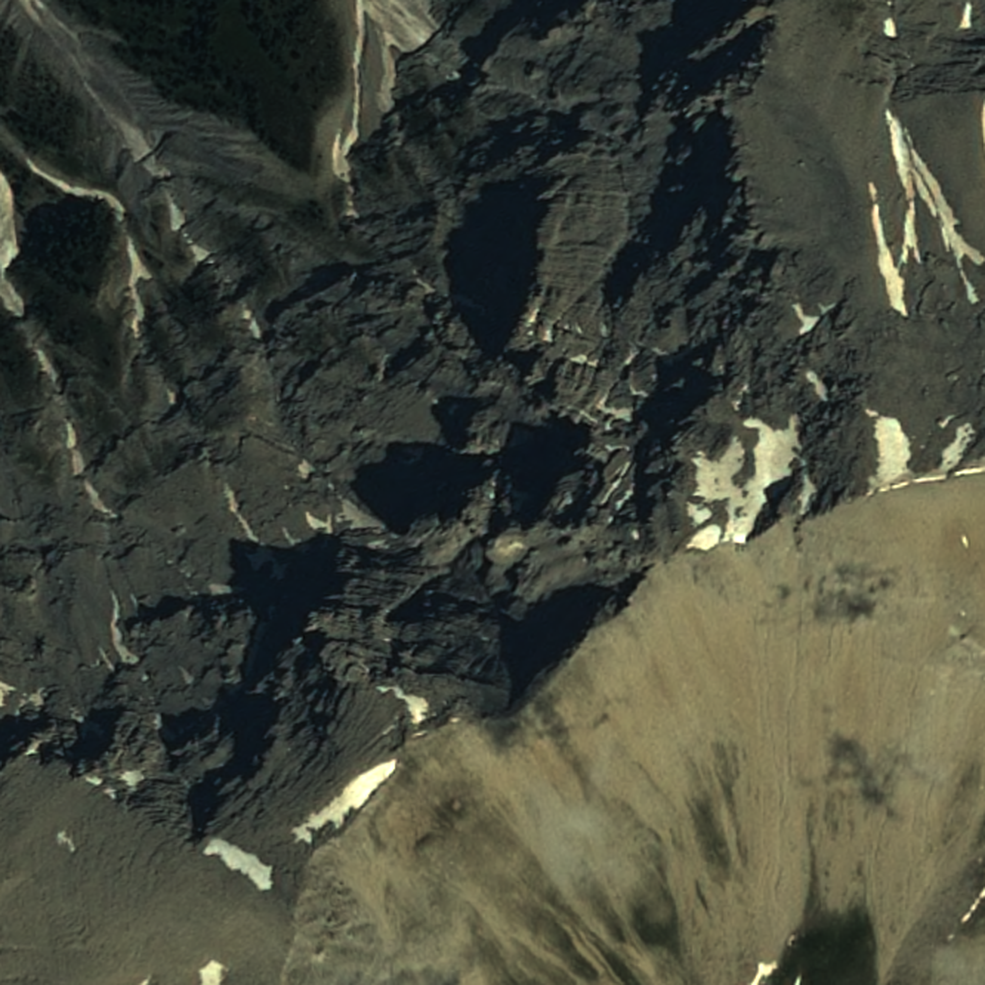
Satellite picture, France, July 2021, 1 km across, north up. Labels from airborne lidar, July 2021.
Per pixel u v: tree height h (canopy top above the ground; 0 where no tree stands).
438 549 0
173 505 0
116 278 0
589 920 0
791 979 0
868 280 0
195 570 0
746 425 0
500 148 0
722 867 0
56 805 0
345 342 0
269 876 0
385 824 0
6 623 0
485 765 0
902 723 0
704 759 0
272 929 0
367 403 0
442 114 0
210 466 0
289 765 0
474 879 0
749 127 0
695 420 0
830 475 0
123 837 0
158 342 0
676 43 0
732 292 0
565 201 0
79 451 0
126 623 0
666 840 0
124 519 0
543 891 0
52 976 0
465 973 0
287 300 0
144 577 0
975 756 0
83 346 0
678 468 0
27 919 0
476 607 0
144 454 0
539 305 0
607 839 0
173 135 0
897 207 0
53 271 10
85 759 0
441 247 0
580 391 0
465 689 0
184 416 0
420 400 0
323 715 0
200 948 0
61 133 8
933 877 0
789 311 0
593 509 0
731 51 0
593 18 0
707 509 0
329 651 0
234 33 0
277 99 0
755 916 0
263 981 0
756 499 0
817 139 0
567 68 0
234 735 0
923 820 0
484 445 0
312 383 0
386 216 0
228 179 0
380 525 0
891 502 0
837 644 0
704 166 0
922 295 0
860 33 0
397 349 0
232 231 0
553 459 0
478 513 0
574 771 0
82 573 0
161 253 0
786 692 0
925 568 0
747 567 0
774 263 0
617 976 0
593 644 0
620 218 0
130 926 0
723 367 0
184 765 0
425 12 0
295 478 0
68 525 0
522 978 0
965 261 0
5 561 0
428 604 0
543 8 0
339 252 0
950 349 0
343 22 0
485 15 0
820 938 0
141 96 0
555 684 0
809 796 0
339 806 0
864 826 0
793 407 0
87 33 0
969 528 0
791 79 0
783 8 0
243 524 0
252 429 0
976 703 0
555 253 0
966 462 0
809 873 0
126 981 0
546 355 0
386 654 0
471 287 0
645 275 0
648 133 0
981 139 0
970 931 0
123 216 0
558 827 0
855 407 0
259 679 0
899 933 0
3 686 0
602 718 0
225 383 0
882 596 0
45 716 0
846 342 0
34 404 0
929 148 0
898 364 0
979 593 0
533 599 0
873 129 0
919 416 0
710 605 0
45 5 0
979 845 0
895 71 0
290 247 0
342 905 0
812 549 0
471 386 0
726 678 0
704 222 0
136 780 0
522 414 0
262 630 0
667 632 0
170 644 0
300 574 0
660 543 0
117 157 0
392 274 0
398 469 0
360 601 0
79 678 0
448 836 0
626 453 0
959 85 0
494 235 0
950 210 0
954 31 0
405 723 0
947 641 0
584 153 0
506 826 0
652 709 0
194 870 0
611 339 0
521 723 0
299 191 0
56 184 0
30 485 0
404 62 0
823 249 0
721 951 0
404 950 0
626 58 0
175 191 0
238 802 0
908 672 0
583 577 0
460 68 0
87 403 0
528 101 0
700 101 0
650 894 0
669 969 0
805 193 0
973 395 0
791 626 0
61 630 0
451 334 0
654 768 0
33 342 0
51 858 0
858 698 0
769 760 0
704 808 0
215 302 0
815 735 0
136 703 0
